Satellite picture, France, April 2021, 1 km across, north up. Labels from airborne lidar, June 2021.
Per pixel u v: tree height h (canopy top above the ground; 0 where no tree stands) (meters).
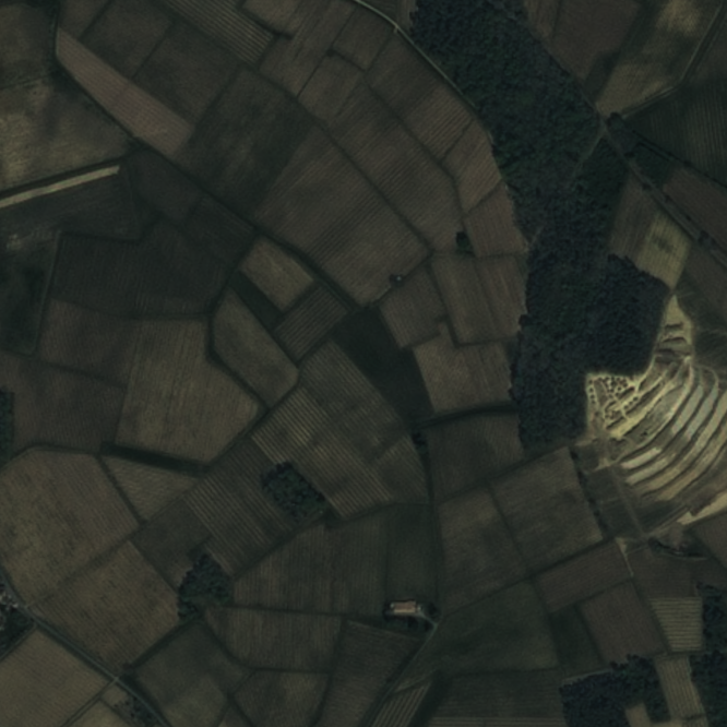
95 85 0
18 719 0
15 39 0
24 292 0
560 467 0
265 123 0
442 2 22
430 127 0
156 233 0
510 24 21
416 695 0
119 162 0
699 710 0
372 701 0
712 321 0
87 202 0
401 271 0
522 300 0
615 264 14
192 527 0
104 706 0
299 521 19
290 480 21
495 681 0
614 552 0
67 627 0
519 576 0
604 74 0
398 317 0
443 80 0
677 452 0
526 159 25
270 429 0
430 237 0
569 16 0
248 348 0
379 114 0
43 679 0
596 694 23
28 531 0
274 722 0
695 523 0
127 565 0
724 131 0
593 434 0
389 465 0
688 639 0
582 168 17
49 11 0
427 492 0
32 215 0
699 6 0
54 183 0
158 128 0
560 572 0
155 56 0
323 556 0
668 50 0
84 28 0
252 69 0
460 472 0
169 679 0
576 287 13
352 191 0
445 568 0
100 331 0
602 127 13
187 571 0
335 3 0
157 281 0
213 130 0
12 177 0
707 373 0
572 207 21
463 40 21
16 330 0
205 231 0
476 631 0
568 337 13
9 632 0
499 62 19
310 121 0
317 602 0
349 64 0
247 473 0
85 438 0
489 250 0
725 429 0
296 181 0
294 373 0
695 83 0
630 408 0
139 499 0
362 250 0
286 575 0
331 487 0
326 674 0
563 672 0
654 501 0
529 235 18
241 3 0
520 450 0
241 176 0
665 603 0
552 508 0
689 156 0
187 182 0
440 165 0
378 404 0
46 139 0
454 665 0
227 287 0
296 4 0
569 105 21
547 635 0
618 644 0
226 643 0
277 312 0
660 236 0
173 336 0
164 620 0
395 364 0
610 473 0
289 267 0
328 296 0
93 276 0
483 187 0
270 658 0
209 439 0
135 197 0
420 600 0
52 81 0
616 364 22
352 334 0
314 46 0
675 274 0
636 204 0
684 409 0
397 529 0
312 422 0
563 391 18
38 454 0
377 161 0
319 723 0
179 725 0
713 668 14
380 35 0
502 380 0
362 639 0
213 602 18
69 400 0
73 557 0
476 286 0
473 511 0
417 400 0
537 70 19
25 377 0
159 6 0
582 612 0
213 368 0
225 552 0
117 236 0
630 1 0
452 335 0
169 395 0
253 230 0
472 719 0
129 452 0
